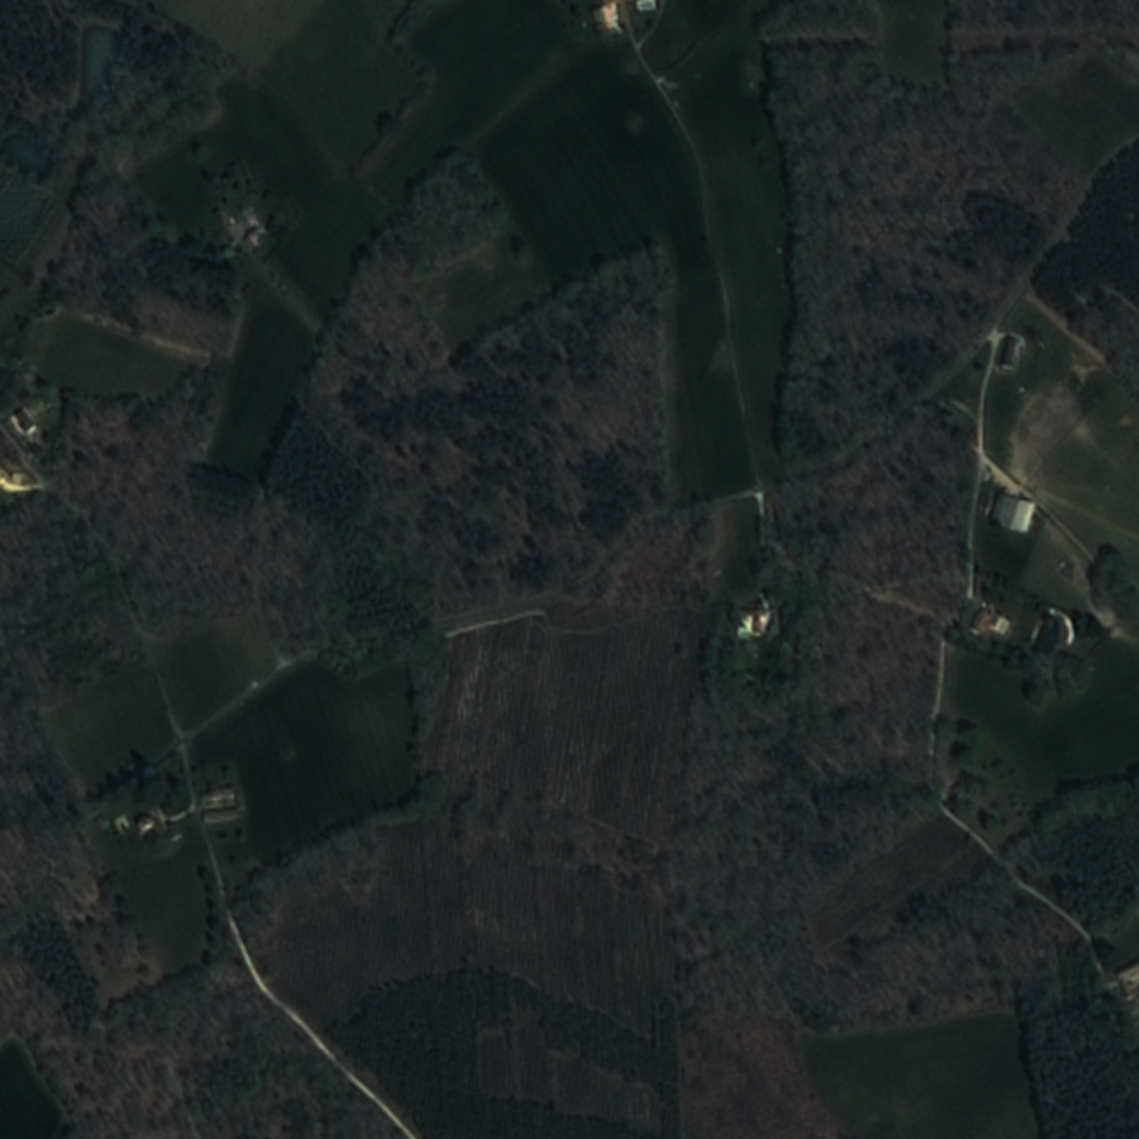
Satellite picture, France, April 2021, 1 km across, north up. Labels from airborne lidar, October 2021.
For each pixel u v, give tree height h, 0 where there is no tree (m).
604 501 22
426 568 16
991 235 14
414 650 19
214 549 12
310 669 0
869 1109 0
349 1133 18
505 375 18
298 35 0
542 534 19
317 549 13
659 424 21
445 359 13
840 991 15
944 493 15
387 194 0
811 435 19
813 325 24
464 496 17
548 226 0
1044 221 8
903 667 12
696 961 16
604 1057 10
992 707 0
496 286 0
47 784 21
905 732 19
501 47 0
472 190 22
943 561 10
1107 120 0
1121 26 11
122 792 23
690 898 17
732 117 0
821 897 17
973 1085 0
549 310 15
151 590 19
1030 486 0
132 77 18
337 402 8
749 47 0
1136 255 13
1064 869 21
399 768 0
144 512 19
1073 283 13
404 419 23
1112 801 23
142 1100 18
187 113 18
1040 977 15
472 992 10
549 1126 12
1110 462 0
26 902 22
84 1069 18
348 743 0
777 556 17
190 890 0
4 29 14
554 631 0
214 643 0
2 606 15
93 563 21
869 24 19
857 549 17
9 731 11
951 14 7
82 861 24
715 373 0
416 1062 13
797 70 20
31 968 14
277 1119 9
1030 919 17
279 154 0
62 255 6
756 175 0
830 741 22
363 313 16
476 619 0
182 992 18
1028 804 7
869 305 17
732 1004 16
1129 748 0
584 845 9
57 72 15
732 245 0
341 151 0
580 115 0
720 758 19
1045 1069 23
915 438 19
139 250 18
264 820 0
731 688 24
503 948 0
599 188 0
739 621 13
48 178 12
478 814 13
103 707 0
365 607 19
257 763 0
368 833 18
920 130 17
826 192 17
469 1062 12
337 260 0
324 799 0
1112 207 13
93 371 0
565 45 0
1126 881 24
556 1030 11
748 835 15
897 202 14
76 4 21
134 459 10
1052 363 0
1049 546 0
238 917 16
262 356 0
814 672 20
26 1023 16
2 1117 0
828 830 16
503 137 0
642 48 0
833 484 15
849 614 21
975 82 17
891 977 14
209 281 21
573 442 21
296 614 16
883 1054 0
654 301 13
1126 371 18
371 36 0
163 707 0
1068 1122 22
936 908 17
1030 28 18
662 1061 10
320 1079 18
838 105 16
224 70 10
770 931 21
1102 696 0
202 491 18
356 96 0
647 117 0
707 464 0
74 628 12
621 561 14
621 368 19
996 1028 0
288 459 20
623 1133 11
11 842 23
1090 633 15
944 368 15
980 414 0
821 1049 0
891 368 20
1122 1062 23
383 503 19
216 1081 22
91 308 10
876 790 18
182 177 0
